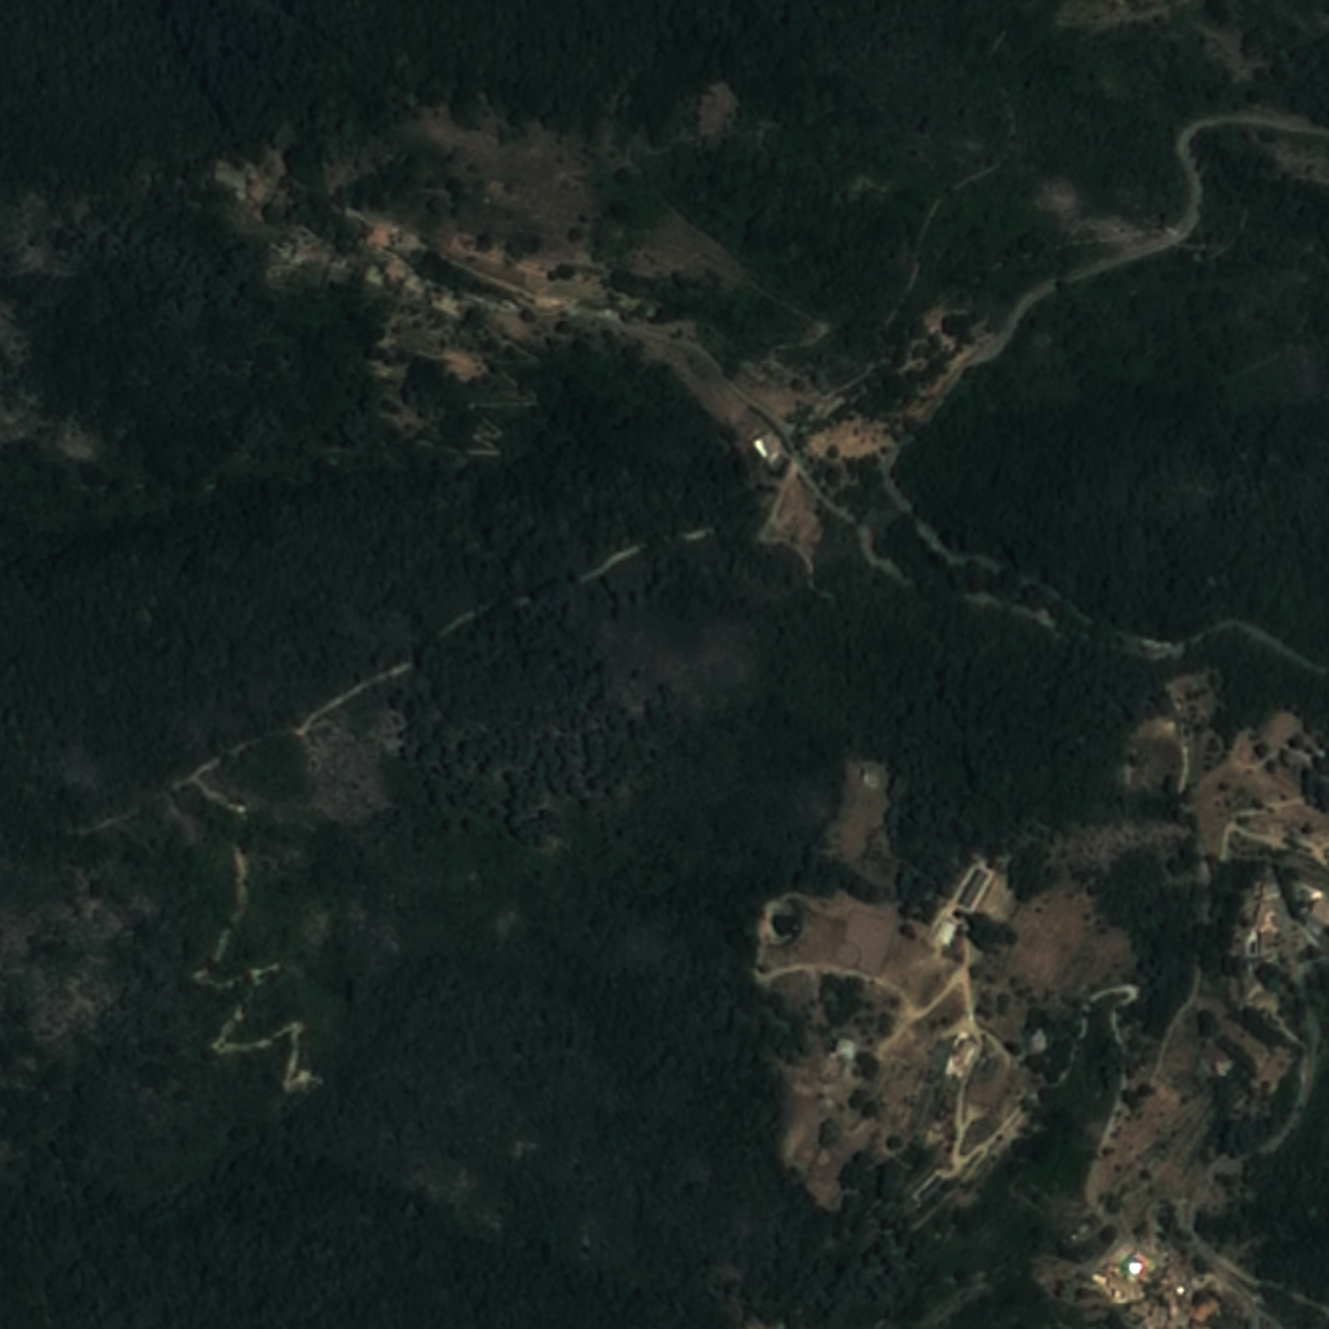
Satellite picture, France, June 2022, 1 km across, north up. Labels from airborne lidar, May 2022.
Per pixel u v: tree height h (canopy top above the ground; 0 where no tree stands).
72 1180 12
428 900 9
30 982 7
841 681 11
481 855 7
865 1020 6
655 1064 8
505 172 0
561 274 10
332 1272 13
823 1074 0
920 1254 19
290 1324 11
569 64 14
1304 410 7
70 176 12
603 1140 6
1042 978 0
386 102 10
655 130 6
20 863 12
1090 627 14
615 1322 14
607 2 12
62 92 11
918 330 15
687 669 0
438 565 12
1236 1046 7
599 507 13
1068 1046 12
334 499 20
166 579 14
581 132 8
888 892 12
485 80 12
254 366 12
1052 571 14
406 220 0
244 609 9
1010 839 9
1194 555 6
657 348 0
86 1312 9
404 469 5
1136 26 8
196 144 11
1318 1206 14
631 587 0
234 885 8
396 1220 16
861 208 11
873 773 0
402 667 7
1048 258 7
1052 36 7
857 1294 23
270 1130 6
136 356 14
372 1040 7
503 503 13
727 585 7
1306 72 16
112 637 17
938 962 0
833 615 9
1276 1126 15
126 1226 9
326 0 17
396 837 7
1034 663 16
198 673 8
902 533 16
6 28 10
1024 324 13
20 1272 10
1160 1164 0
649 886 12
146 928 11
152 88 9
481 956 6
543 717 17
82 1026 7
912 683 16
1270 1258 10
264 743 8
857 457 9
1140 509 13
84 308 16
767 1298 9
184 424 17
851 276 15
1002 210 7
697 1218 8
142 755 6
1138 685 23
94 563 23
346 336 11
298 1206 11
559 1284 18
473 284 8
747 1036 11
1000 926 8
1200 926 12
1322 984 7
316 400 14
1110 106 13
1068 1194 0
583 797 8
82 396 14
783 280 5
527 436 8
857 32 11
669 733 8
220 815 6
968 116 15
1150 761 0
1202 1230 13
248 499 11
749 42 7
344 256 15
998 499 9
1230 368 12
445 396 6
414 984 7
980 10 6
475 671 13
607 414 9
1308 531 10
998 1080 0
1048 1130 8
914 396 9
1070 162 9
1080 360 13
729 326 6
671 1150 8
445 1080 6
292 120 9
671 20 10
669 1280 6
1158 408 18
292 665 9
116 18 16
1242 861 11
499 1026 8
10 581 13
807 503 0
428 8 15
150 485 8
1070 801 14
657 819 10
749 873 10
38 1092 11
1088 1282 6
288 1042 9
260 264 21
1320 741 10
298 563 10
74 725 7
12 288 8
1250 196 10
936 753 14
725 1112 16
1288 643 9
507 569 11
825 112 7
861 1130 0
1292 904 10
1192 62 6
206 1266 8
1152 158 10
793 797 7
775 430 6
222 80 24
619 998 12
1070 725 22
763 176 10
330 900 7
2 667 15
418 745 13
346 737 0
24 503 11
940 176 6
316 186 0
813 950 0
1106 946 0
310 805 0
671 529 13
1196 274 7
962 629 15
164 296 14
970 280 9
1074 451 14
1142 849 14
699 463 10
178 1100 10
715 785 8
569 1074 8
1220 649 10
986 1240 0
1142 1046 11
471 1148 8
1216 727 10
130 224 10
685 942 8
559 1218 9
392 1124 9
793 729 14
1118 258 0
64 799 8
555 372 10
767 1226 7
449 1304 17
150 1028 6
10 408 8
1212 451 14
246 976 12
